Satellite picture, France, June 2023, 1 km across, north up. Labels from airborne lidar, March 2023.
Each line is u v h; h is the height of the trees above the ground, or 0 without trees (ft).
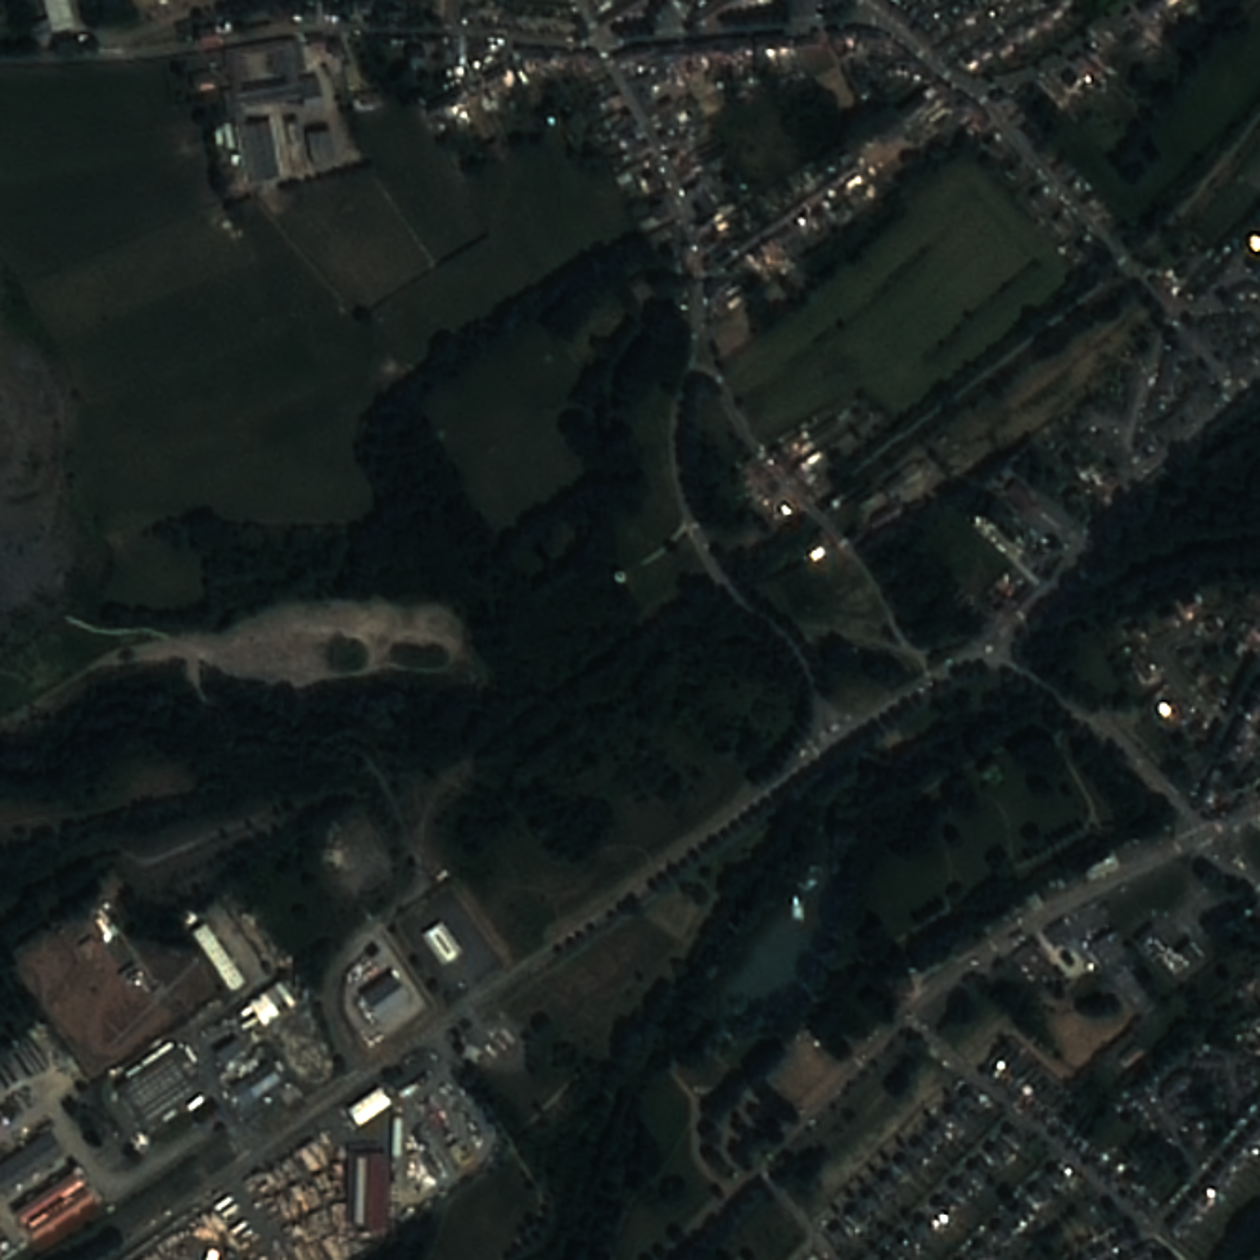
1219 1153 0
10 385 0
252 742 52
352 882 0
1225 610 0
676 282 29
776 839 54
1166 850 0
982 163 28
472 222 0
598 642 37
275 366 0
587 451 85
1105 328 0
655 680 38
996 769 37
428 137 0
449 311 0
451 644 0
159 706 71
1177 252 25
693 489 59
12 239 0
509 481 0
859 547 29
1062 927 0
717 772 0
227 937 0
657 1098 0
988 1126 0
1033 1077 0
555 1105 0
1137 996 0
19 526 0
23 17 39
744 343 0
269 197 0
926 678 0
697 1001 64
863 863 56
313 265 0
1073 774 0
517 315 44
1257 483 66
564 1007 0
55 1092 0
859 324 0
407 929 0
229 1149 0
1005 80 0
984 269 0
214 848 0
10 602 0
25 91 0
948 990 0
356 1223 0
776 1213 0
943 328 0
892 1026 0
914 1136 0
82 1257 46
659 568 0
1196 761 0
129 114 0
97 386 0
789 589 0
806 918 0
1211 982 0
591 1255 64
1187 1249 0
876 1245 23
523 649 50
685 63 0
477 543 31
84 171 0
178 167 0
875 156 0
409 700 47
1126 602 52
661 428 0
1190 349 0
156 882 0
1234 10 64
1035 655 59
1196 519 51
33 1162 0
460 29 0
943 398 18
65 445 0
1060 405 0
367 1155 0
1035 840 46
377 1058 0
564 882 0
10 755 82
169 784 0
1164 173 0
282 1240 0
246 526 18
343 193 0
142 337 0
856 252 27
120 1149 0
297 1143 0
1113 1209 32
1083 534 0
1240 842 0
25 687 0
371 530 56
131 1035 0
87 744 61
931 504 26
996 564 0
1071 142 0
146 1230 0
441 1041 0
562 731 84
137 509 0
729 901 47
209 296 0
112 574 21
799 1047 0
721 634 38
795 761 0
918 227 0
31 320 0
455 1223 0
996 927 0
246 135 0
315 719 54
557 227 0
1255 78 0
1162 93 45
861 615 0
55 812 0
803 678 57
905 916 0
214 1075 0
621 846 0
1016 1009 45
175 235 0
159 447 0
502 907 0
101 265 0
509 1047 0
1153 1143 37
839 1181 0
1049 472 36
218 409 0
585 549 59
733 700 0
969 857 0
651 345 84
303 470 0
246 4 36
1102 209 0
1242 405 36
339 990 0
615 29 34
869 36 0
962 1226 0
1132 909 0
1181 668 0
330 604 0
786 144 0
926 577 47
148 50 0
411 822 0
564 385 0
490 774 34
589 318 0
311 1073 0
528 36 0
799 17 0
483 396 0
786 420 0
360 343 0
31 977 0
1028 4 0
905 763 63
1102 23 0
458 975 0
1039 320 37
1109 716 0
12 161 0
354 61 0
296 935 0
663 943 0
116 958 0
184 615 36
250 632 0
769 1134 40
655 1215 0
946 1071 0
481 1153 0
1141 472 0
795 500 0
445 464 51
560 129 0
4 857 43
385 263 0
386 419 56
